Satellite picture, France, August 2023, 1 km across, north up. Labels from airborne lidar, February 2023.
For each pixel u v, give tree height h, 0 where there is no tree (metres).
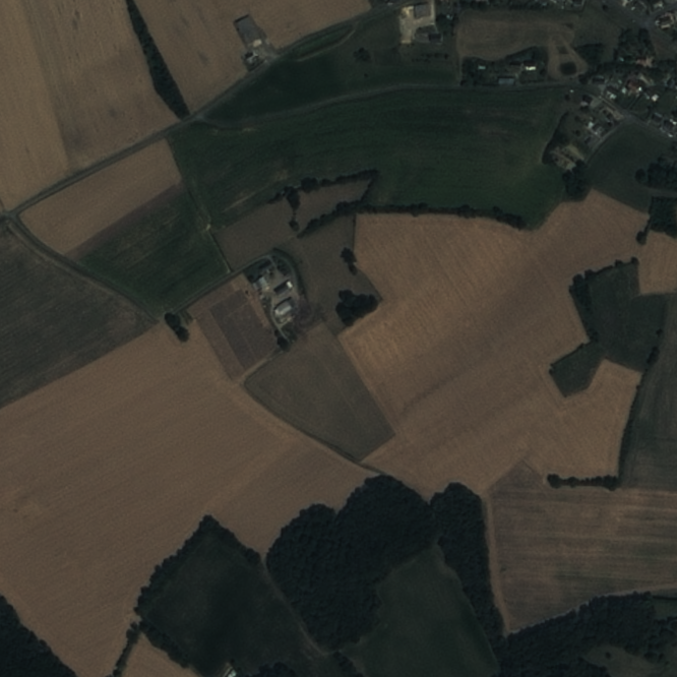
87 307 0
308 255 0
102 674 0
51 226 0
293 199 16
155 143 0
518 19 0
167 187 0
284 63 0
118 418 0
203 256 0
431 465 0
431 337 0
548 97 0
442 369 0
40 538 0
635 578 0
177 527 0
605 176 0
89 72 0
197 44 0
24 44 0
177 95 10
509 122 0
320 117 0
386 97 0
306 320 0
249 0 0
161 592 14
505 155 0
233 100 0
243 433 0
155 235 0
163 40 0
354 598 19
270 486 0
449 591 0
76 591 0
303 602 20
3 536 0
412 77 0
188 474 0
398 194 0
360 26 0
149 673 0
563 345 0
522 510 0
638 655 11
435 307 0
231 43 0
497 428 0
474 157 0
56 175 0
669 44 0
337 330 0
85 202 0
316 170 0
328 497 0
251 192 0
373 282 0
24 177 0
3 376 0
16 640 23
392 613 0
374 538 19
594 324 0
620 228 0
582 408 0
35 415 0
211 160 0
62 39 0
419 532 20
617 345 0
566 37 0
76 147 0
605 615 21
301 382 0
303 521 12
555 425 0
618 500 0
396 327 0
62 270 0
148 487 0
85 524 0
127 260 0
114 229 0
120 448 0
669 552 0
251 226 0
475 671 0
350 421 0
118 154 0
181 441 0
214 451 0
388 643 0
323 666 0
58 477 0
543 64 0
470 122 0
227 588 0
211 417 0
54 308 0
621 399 0
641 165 0
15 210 0
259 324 0
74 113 0
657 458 0
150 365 0
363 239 0
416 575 0
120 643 0
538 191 0
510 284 0
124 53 0
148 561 0
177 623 0
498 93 0
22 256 0
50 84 0
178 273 0
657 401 0
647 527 0
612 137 0
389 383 0
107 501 0
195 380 0
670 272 0
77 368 0
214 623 0
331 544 19
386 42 0
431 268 0
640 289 0
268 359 0
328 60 0
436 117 0
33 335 0
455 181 0
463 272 0
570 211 0
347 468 0
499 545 0
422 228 0
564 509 0
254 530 0
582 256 0
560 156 0
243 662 0
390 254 0
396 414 0
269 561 12
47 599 0
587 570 0
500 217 10
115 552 0
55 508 0
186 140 0
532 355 0
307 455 0
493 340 0
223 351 0
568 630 21
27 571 0
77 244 0
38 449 0
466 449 0
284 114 0
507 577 0
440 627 0
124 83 0
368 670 0
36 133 0
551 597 0
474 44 0
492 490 0
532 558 0
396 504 21
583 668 14
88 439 0
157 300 0
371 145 0
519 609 0
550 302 0
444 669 0
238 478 0
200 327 0
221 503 0
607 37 0
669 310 0
